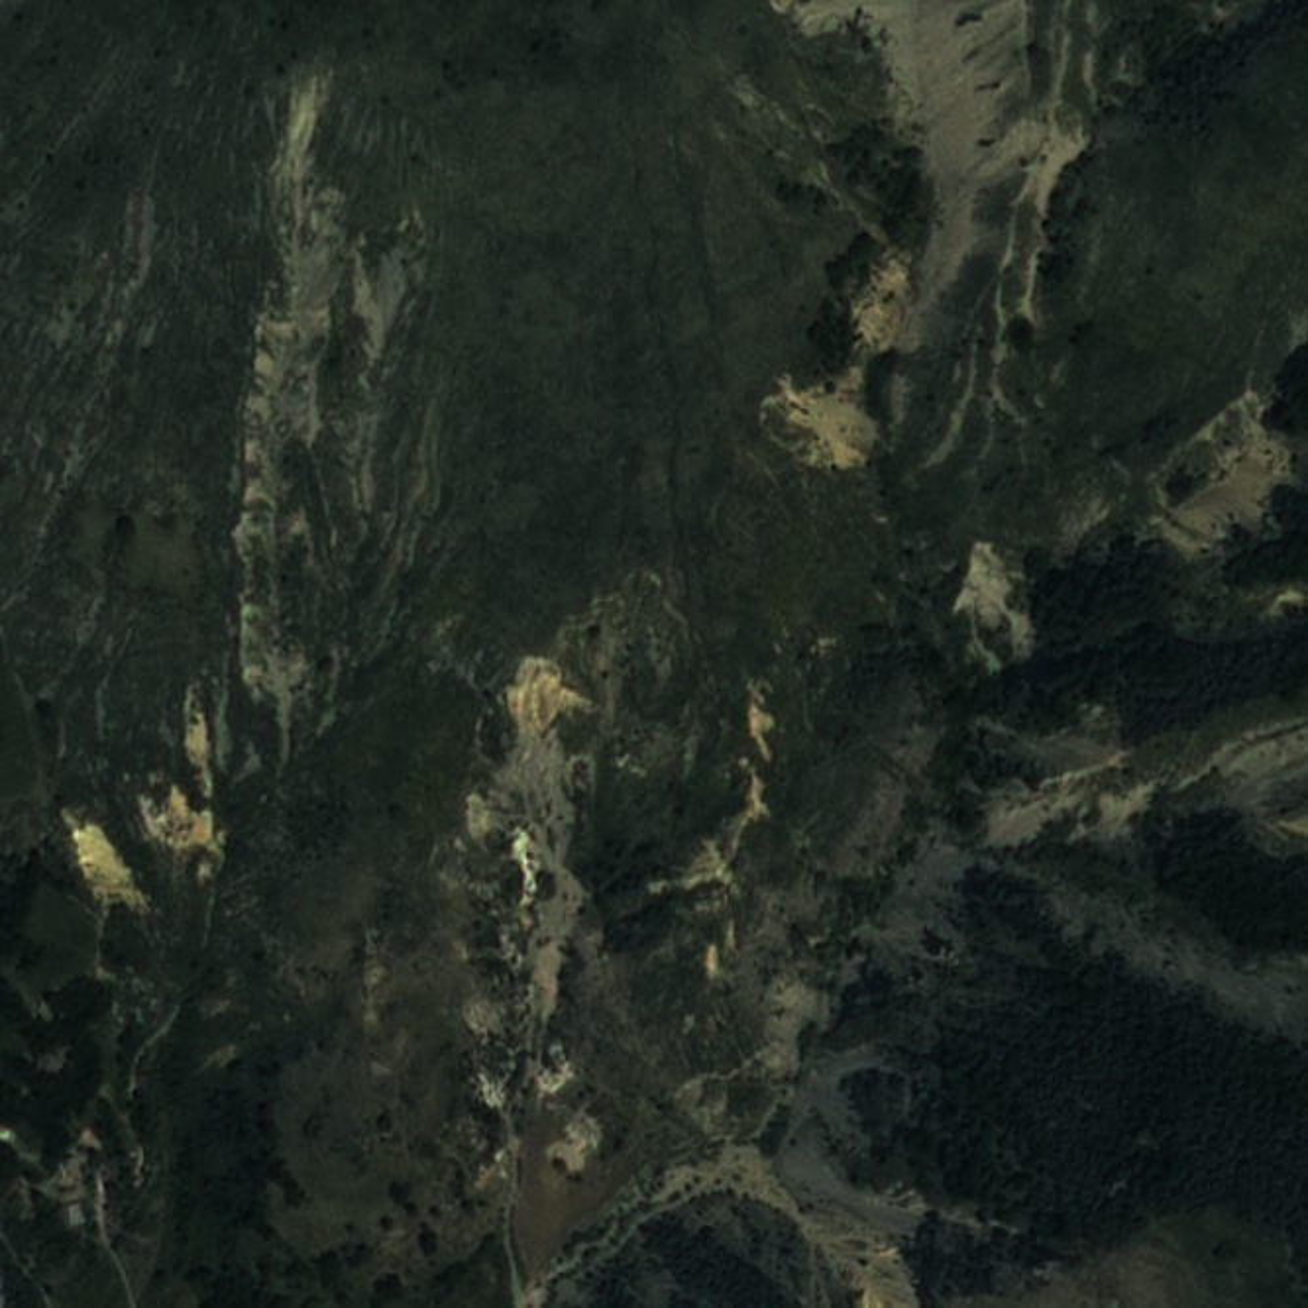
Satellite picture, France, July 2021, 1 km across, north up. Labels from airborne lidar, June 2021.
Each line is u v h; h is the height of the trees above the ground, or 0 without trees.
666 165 0
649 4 0
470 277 0
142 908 0
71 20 0
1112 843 0
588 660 0
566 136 0
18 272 0
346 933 0
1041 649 6
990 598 0
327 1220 0
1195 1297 0
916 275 0
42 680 0
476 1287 0
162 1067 7
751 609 0
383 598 0
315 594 0
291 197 0
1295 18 9
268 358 0
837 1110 0
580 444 0
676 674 0
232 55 0
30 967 9
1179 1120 16
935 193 0
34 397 0
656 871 8
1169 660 13
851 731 7
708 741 0
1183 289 0
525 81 0
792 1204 0
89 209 0
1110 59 7
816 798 0
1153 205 0
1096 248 0
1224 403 0
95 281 0
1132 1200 12
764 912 0
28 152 0
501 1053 9
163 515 0
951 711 16
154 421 0
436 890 0
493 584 0
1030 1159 7
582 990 0
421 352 0
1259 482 0
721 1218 0
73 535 0
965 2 0
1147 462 0
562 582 0
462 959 0
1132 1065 15
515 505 0
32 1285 7
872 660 6
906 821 8
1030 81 0
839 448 0
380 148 0
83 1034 13
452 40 0
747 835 0
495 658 0
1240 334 0
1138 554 8
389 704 0
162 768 0
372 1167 0
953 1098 8
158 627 0
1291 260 0
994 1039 9
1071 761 0
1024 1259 8
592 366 0
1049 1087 14
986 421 0
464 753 0
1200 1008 8
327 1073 0
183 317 0
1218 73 11
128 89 0
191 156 0
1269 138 0
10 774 0
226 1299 11
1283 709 0
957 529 0
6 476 0
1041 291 0
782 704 0
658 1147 0
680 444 0
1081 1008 8
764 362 0
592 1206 0
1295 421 11
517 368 0
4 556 0
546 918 0
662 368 0
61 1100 10
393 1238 0
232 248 0
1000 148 0
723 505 0
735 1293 6
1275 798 0
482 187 0
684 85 0
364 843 0
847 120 0
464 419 0
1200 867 9
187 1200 10
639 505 0
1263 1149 15
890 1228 0
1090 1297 0
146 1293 0
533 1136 0
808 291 0
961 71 0
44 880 9
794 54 0
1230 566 11
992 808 0
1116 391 0
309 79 0
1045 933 7
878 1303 0
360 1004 0
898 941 0
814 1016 0
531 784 0
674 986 0
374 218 0
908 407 0
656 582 0
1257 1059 11
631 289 0
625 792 0
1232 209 0
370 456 0
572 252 0
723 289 0
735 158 0
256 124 0
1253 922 14
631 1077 0
